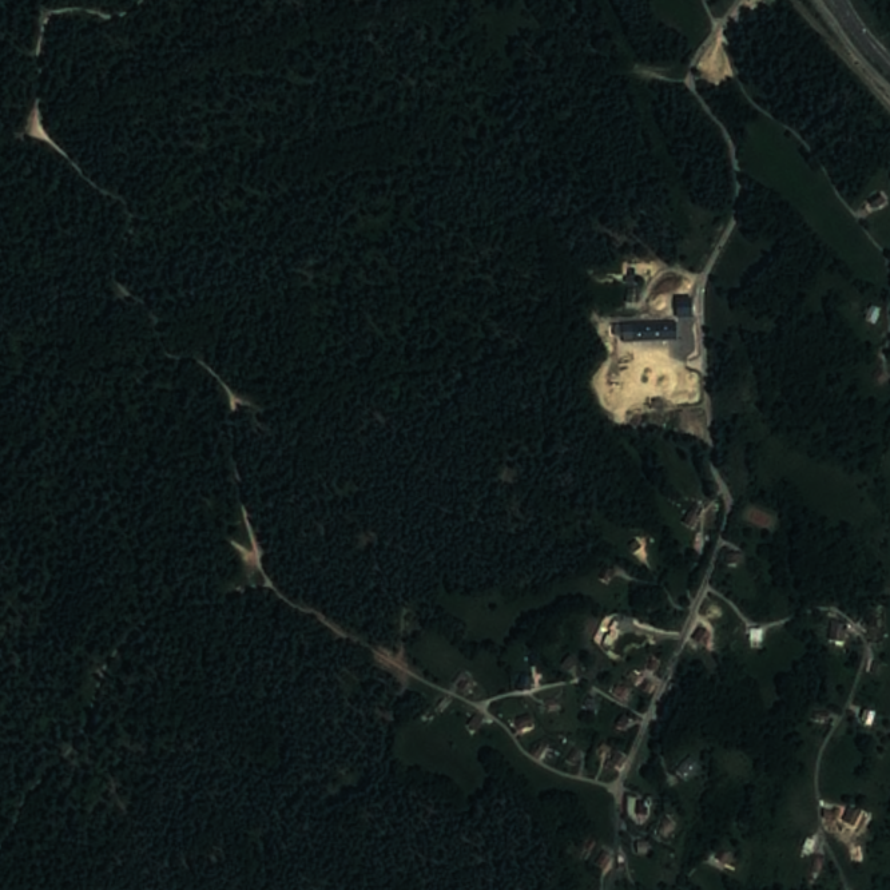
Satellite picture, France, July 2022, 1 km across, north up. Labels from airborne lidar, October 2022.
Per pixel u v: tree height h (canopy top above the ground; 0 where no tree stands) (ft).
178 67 81
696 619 0
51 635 43
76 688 43
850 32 0
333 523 59
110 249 74
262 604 74
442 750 0
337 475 66
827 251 55
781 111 49
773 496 26
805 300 82
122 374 73
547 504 48
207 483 76
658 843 22
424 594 75
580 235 78
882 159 55
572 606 84
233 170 66
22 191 72
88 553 66
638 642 0
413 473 76
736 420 40
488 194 54
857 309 0
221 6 62
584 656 41
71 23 61
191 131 64
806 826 0
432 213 49
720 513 20
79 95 81
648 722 0
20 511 41
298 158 51
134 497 52
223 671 63
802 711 19
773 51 35
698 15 0
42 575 78
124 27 53
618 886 23
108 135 52
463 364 60
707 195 67
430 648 0
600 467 90
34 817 32
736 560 0
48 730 29
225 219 94
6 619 92
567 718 0
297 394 74
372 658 43
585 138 36
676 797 28
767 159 0
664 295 0
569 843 70
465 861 73
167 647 68
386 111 64
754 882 17
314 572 73
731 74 0
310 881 71
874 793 0
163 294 106
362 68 94
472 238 56
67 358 76
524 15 25
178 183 42
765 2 0
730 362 49
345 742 79
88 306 79
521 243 75
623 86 32
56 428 80
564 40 81
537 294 72
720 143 37
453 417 74
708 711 36
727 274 0
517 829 74
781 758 77
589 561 74
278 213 44
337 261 95
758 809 22
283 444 55
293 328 71
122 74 79
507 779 71
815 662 69
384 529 57
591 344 68
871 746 83
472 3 33
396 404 47
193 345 89
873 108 44
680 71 0
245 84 26
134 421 23
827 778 0
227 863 59
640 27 73
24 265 70
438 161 42
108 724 31
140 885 67
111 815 74
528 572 55
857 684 0
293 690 62
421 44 51
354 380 81
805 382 63
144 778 29
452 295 73
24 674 42
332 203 22
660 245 71
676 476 0
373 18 77
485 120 22
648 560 0
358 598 71
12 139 73
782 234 63
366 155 51
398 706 56
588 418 73
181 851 67
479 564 72
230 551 59
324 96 35
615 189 62
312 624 56
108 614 33
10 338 68
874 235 0
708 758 33
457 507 85
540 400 73
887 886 58
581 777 0
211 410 45
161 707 42
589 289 61
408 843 70
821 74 66
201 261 92
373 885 63
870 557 20
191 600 58
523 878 82
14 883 74
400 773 71
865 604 45
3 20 116
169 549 32
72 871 35
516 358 64
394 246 85
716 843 66
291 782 62
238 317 72
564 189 111
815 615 35
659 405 0
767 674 0
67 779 73
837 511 0
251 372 30
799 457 0
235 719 48
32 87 68
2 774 51
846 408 68
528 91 71
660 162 42
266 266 49
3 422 49
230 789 85
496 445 31
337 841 68
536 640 86
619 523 26
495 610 58
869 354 53
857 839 0
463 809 60
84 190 55
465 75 50
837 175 26
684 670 40
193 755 68
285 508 82
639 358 0
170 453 48
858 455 36
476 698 0
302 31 79
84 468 49
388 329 66
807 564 69
